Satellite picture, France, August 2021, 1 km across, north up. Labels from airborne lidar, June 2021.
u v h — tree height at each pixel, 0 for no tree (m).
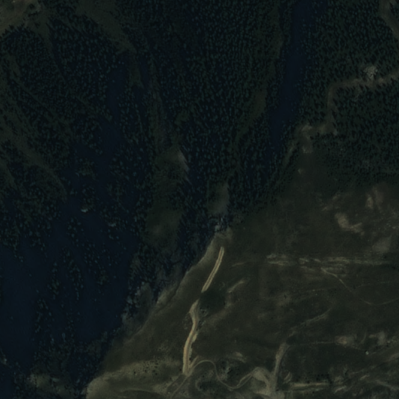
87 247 12
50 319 7
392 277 0
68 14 24
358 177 8
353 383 0
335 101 0
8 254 0
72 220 13
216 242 0
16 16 0
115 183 12
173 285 0
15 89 29
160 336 0
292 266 0
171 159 0
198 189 19
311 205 0
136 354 0
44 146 11
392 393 0
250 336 0
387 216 0
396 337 0
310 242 0
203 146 22
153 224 0
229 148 24
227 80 17
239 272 0
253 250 0
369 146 20
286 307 0
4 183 13
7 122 10
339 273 0
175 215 0
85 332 0
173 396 0
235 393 0
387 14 0
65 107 20
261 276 0
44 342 7
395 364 0
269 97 9
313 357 0
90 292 7
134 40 12
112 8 0
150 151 17
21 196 6
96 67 17
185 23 7
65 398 0
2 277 13
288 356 0
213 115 25
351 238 0
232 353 0
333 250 0
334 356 0
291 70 17
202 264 0
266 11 13
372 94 24
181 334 0
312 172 0
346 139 18
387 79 0
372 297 0
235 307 0
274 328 0
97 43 18
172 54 6
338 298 0
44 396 0
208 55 23
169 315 0
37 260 13
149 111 15
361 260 0
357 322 0
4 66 7
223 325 0
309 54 10
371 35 21
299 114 14
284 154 16
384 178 8
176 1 6
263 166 15
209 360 0
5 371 7
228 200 0
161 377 0
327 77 18
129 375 0
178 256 0
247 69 25
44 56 19
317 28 18
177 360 0
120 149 15
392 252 0
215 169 23
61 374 0
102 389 0
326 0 14
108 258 12
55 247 17
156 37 6
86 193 9
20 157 11
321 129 0
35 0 0
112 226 0
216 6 6
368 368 0
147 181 19
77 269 12
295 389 0
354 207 0
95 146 22
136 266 0
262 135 16
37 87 22
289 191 0
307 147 0
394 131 18
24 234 15
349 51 18
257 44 12
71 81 25
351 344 0
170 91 8
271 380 0
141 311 0
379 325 0
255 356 0
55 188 9
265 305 0
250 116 12
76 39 21
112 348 0
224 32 22
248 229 0
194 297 0
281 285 0
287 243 0
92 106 11
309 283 0
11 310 0
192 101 8
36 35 13
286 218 0
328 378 9
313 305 0
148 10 16
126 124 14
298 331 0
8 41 15
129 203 0
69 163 9
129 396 0
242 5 30
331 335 0
